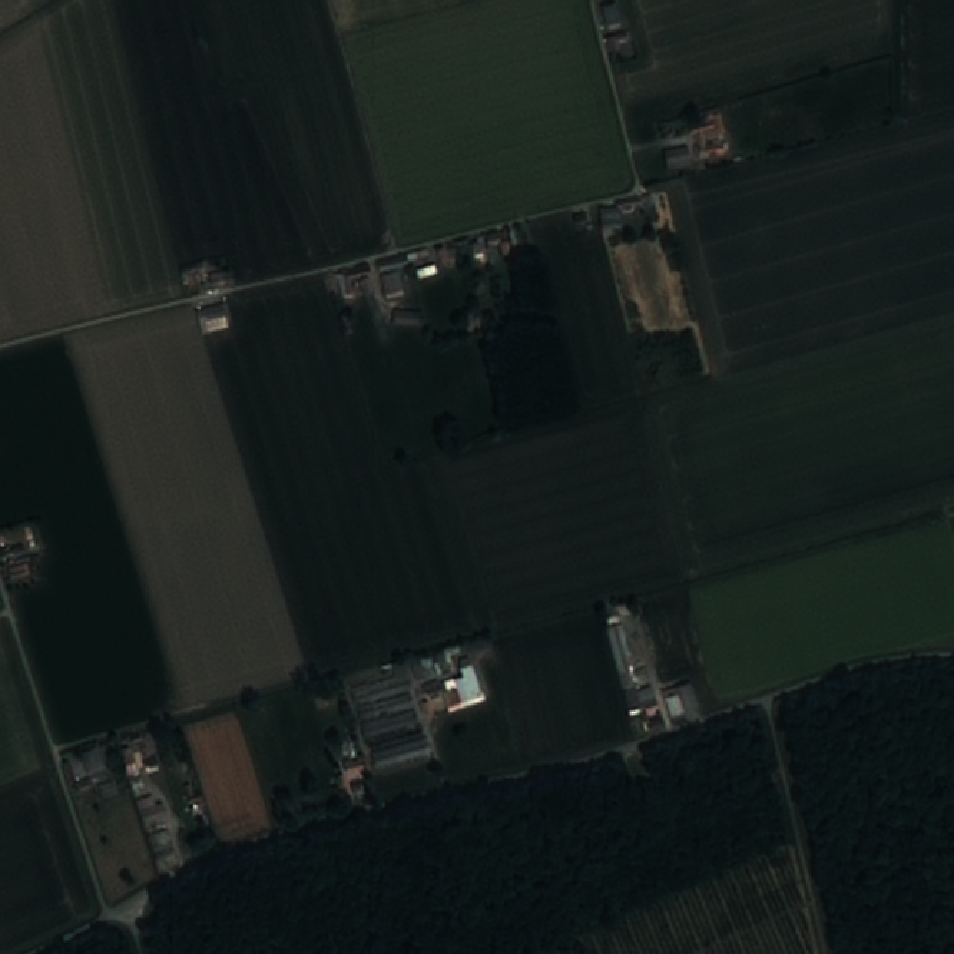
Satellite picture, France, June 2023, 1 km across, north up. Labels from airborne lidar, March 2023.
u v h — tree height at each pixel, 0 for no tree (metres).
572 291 0
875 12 0
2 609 0
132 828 0
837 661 0
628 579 0
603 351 0
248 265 0
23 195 0
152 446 0
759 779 18
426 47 0
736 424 0
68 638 0
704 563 0
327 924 20
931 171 0
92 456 0
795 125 0
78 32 0
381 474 0
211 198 0
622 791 21
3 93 0
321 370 0
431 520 0
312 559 0
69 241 0
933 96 0
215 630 0
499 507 0
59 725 0
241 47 0
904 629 0
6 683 0
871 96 0
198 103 0
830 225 0
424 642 0
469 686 0
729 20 0
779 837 20
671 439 0
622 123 0
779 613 0
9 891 0
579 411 7
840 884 20
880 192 0
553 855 25
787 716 17
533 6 0
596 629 0
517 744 0
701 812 21
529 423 13
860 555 0
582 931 16
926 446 0
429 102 0
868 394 0
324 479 0
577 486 0
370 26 0
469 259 8
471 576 0
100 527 0
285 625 0
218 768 0
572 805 22
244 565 0
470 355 0
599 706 0
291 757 0
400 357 0
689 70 0
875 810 25
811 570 0
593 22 0
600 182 0
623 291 0
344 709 12
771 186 0
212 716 0
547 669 0
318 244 0
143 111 0
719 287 0
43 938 0
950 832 24
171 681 0
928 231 0
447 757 0
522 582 0
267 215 0
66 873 0
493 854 21
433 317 0
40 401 0
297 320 0
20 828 0
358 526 0
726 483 0
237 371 0
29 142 0
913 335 0
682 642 0
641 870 19
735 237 0
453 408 0
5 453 0
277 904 24
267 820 0
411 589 0
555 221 0
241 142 0
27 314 0
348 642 0
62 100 0
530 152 0
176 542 0
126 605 0
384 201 0
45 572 0
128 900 0
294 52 0
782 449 0
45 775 0
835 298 0
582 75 0
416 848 28
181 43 0
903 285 0
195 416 0
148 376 0
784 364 0
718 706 0
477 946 26
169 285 0
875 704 15
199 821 12
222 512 0
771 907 0
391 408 0
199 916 22
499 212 0
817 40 0
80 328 0
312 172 0
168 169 0
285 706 0
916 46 0
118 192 0
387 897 23
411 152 0
